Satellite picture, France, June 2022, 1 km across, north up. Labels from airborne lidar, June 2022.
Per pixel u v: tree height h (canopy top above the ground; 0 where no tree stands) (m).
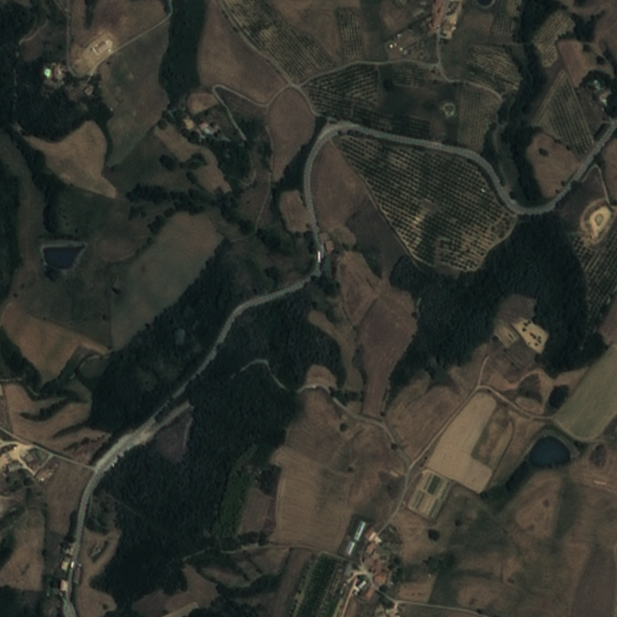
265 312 12
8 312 0
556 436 0
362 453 0
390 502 0
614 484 0
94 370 0
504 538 0
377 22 0
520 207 0
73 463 0
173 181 0
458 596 0
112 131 0
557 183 0
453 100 0
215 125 13
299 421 0
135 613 9
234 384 9
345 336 0
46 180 20
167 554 10
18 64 13
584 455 0
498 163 12
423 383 0
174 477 15
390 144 9
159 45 0
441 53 0
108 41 0
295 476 0
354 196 0
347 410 0
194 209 11
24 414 7
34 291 0
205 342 8
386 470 0
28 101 8
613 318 0
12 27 9
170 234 0
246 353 9
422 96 0
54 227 30
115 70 0
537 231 16
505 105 10
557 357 12
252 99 0
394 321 0
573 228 0
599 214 0
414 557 0
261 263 0
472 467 0
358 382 0
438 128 0
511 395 0
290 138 0
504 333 0
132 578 9
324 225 0
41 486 0
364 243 0
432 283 10
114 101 0
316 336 9
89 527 6
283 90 0
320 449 0
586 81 6
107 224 0
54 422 0
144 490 15
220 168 10
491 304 11
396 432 0
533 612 0
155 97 0
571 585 0
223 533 9
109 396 9
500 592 0
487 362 0
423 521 0
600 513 0
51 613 0
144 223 0
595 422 0
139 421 13
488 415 0
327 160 0
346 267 0
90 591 0
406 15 0
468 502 0
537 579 0
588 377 0
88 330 0
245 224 11
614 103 13
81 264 0
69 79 6
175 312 13
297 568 0
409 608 0
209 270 8
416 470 0
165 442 0
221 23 0
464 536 0
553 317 13
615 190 0
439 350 12
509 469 0
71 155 0
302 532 0
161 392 12
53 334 0
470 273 11
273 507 0
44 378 0
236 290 7
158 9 0
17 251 8
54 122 7
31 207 0
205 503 14
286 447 0
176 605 0
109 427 6
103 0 0
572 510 0
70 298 0
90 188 0
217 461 11
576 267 11
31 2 7
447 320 15
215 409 11
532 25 21
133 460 9
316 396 0
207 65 0
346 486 0
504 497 0
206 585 0
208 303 10
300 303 11
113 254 0
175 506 7
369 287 0
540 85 9
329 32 0
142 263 0
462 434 0
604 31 0
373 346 0
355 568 8
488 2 0
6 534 0
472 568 0
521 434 0
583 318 11
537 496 0
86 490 0
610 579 0
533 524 0
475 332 16
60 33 0
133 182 0
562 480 0
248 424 14
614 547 0
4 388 0
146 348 7
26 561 0
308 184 0
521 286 20
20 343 0
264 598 0
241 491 10
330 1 0
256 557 0
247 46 0
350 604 0
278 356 11
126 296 0
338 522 0
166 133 0
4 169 10
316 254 13
